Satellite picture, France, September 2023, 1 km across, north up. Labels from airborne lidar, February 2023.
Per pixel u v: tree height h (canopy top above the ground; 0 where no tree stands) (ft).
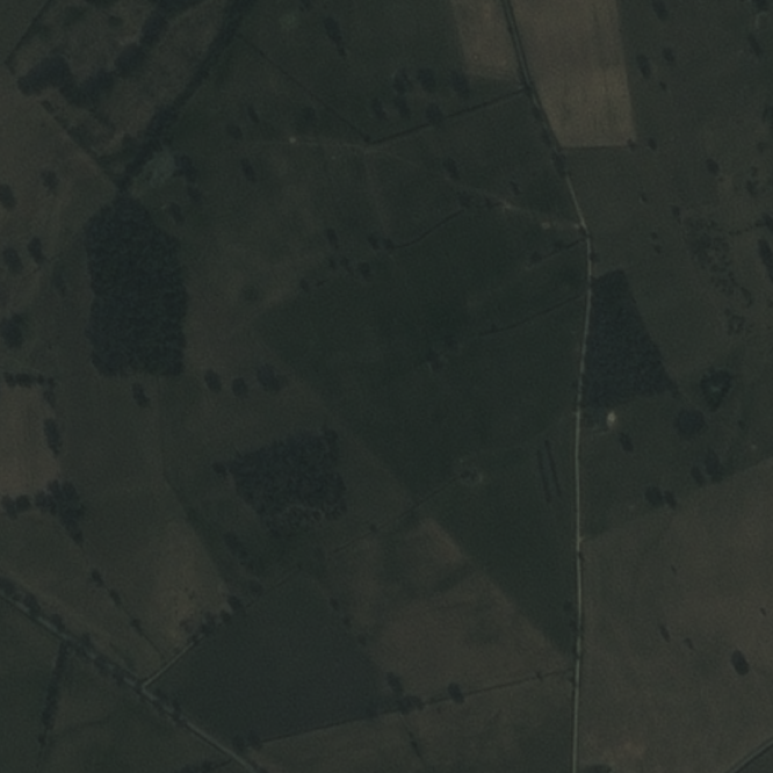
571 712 0
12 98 0
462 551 0
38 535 0
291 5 0
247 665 0
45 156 0
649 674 0
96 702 0
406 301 0
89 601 0
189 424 0
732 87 0
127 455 0
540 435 0
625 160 0
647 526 0
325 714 0
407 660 0
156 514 0
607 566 0
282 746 0
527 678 0
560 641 0
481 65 0
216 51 18
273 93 0
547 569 0
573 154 0
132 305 64
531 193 0
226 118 0
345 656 0
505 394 0
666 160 0
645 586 0
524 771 0
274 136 0
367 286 0
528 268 0
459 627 0
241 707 0
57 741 0
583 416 0
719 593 0
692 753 0
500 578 0
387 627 0
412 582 0
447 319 0
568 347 0
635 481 0
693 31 0
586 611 0
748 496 0
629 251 0
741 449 0
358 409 0
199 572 0
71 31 0
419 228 0
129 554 0
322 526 0
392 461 0
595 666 0
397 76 0
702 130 0
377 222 0
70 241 0
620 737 0
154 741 0
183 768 0
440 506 0
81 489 0
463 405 0
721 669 0
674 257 0
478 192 0
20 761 0
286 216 0
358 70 0
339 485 57
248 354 0
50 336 0
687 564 0
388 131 0
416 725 0
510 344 0
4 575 0
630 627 0
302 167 0
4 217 0
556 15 0
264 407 0
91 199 0
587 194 0
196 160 0
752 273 0
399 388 0
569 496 0
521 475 0
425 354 0
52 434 55
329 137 0
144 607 0
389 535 0
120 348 71
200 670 0
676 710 0
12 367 0
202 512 0
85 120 0
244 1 55
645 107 0
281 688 0
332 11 0
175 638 0
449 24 0
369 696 0
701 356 0
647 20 0
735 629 0
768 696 0
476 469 0
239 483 39
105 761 0
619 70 0
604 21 0
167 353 42
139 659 0
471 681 0
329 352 0
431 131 0
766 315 0
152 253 65
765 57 0
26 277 0
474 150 0
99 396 0
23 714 0
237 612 34
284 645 0
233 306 0
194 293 0
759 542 0
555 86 0
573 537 0
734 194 0
